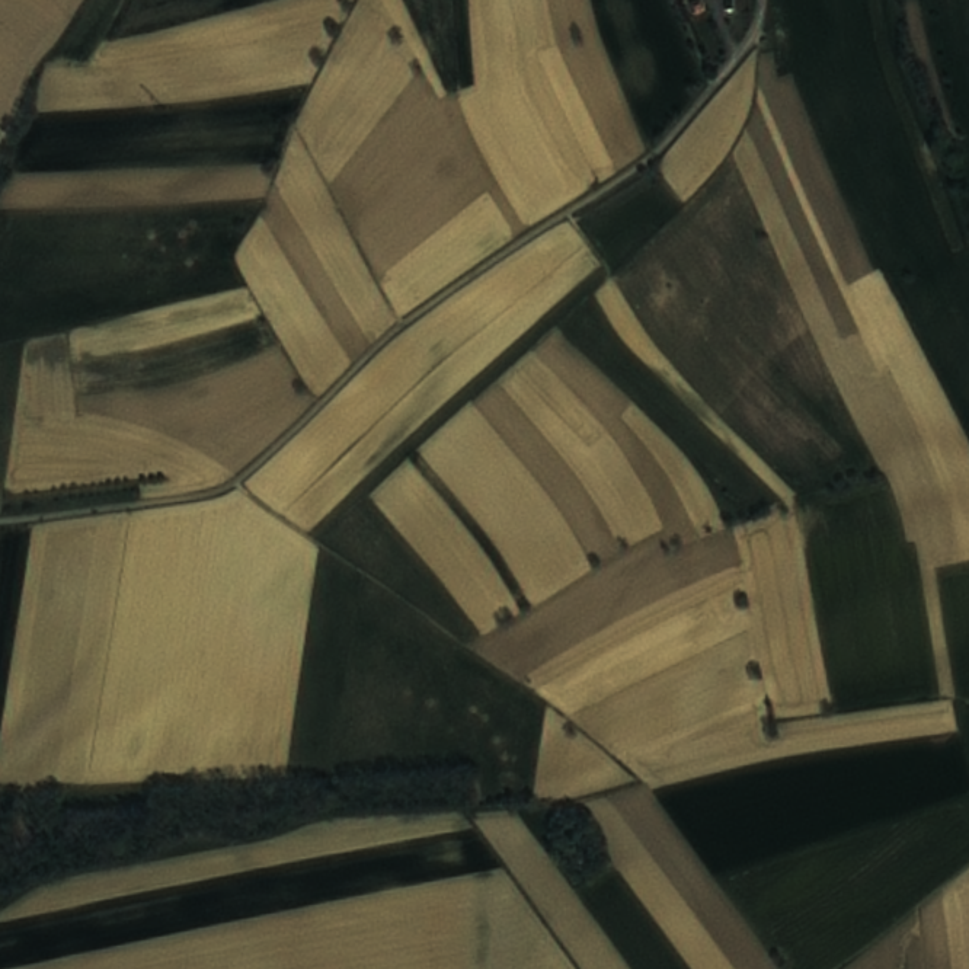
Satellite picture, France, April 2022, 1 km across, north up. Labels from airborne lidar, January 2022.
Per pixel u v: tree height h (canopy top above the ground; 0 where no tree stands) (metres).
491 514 0
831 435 0
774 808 0
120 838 32
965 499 0
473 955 0
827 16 0
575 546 0
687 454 0
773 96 0
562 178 0
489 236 0
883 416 0
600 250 0
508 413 0
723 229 0
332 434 0
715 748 0
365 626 0
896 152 0
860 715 0
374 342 0
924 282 0
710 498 0
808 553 0
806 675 0
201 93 0
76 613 0
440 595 0
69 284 0
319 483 0
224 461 0
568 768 0
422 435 0
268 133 0
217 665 0
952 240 0
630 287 0
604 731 0
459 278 0
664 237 0
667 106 0
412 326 0
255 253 0
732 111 0
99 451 0
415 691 0
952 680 0
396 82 0
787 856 0
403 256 0
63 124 0
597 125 0
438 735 0
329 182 0
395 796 21
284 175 0
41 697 0
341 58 0
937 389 0
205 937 0
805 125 0
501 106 0
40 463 0
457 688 0
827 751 0
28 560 0
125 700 0
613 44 0
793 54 0
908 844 0
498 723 0
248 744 0
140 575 0
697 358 0
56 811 16
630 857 0
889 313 0
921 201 0
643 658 0
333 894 0
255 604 0
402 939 0
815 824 0
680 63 0
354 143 0
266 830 20
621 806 0
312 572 0
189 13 0
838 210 0
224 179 0
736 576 0
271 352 0
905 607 0
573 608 0
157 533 0
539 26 0
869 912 0
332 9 0
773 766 0
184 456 0
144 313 0
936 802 0
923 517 0
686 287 0
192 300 0
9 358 0
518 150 0
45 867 29
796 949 0
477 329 0
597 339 0
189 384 0
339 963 0
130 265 0
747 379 0
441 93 0
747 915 0
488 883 0
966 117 0
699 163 0
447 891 0
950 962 0
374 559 0
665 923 0
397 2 0
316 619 0
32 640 0
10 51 0
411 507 0
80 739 0
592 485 0
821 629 0
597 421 0
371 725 0
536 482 0
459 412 0
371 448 0
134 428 0
